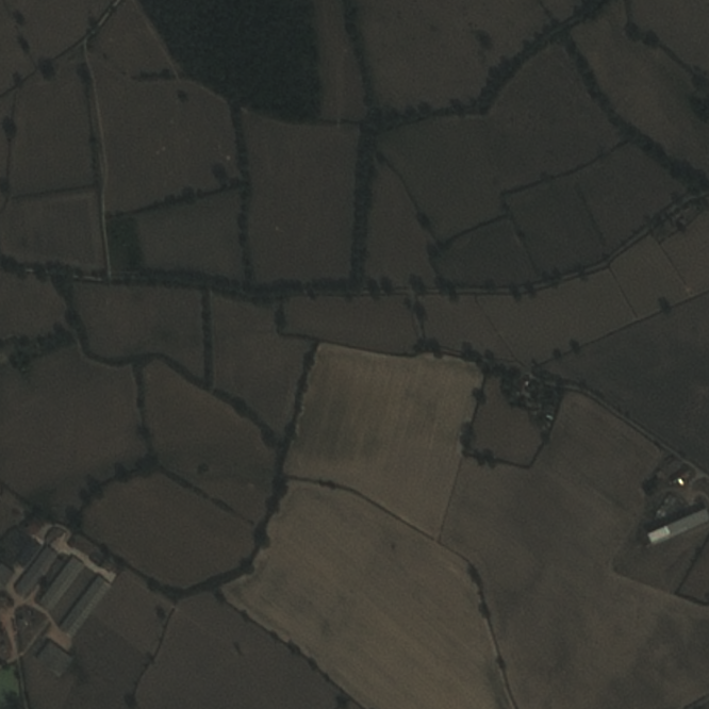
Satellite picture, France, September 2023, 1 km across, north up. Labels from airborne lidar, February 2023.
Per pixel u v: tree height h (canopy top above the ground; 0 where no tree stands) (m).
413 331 0
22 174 0
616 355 0
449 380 0
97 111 0
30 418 0
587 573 0
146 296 0
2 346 9
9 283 0
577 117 0
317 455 0
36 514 13
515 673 0
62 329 12
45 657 0
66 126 0
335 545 0
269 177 0
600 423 0
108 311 0
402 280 0
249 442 0
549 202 0
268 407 0
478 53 0
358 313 0
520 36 0
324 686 0
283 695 0
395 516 0
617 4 0
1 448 0
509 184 0
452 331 0
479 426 0
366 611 0
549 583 0
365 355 0
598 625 0
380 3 0
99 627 0
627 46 0
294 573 0
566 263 0
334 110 0
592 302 0
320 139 0
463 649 0
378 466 0
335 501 0
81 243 0
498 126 0
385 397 0
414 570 0
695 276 0
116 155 0
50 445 0
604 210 0
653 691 0
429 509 0
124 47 0
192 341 0
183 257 0
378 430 0
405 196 0
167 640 0
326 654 0
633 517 0
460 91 0
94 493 17
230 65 22
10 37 0
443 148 0
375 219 0
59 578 0
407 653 0
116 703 0
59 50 0
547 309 0
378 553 0
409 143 0
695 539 0
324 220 0
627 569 0
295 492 0
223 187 8
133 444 0
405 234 0
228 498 0
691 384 0
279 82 24
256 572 0
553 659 0
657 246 0
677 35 0
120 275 0
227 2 22
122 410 0
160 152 0
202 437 0
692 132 0
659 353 0
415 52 0
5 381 0
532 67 0
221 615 0
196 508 0
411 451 0
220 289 13
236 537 0
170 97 0
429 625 0
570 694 0
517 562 0
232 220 0
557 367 0
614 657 0
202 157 0
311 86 21
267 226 0
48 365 0
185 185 0
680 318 0
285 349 0
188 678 0
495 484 0
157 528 0
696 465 0
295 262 0
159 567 0
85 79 18
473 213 0
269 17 20
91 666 0
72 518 19
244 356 0
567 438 0
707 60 0
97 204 0
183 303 0
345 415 0
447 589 0
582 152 0
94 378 0
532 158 0
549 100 0
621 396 0
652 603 0
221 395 6
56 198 0
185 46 19
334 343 0
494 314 0
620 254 0
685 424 0
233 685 0
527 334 0
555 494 0
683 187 0
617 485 0
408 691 0
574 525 0
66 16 0
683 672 0
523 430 0
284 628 0
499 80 13
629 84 0
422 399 0
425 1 0
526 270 0
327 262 0
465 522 0
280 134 0
